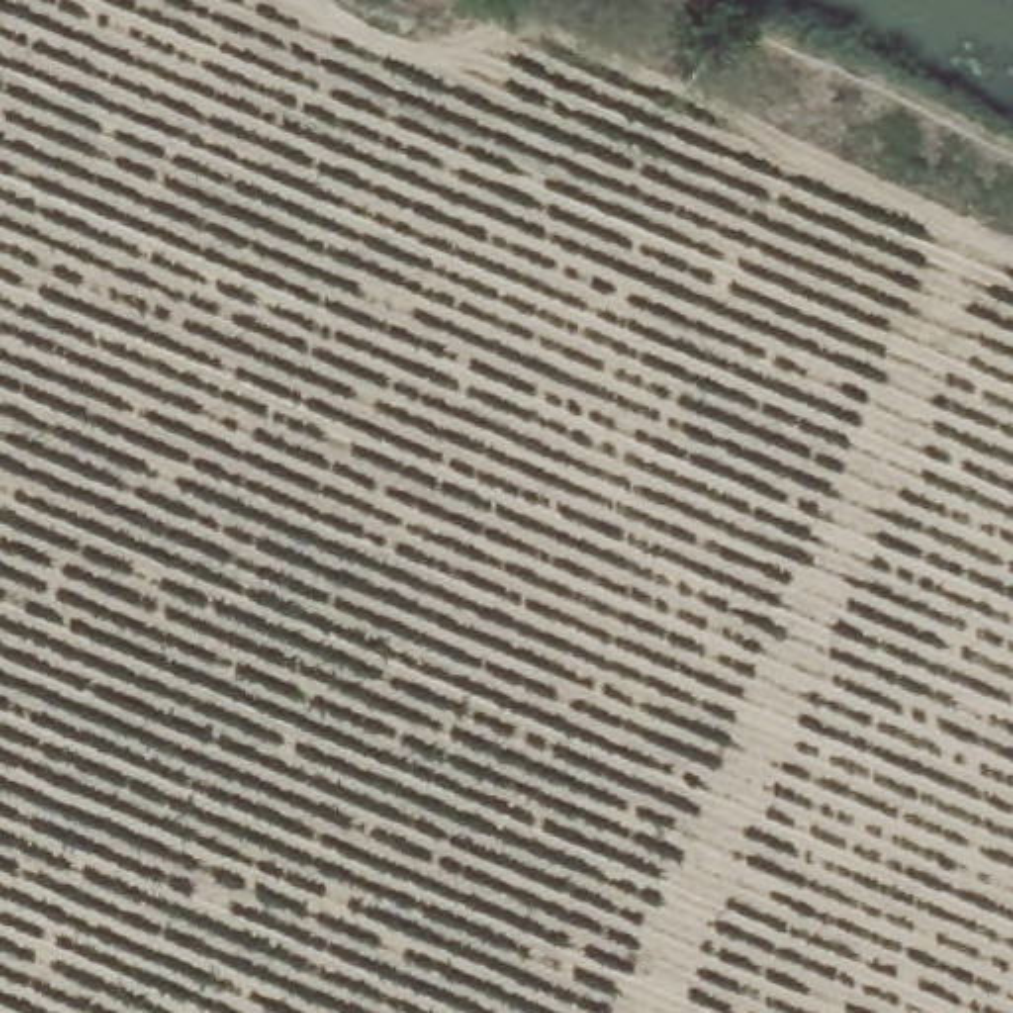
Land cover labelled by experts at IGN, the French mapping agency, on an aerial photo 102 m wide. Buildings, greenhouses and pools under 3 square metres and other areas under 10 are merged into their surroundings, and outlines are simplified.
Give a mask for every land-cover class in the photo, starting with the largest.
<instances>
[{"label":"vineyard","instance_id":"1","mask_svg":"<svg viewBox=\"0 0 1013 1013\"><path fill-rule=\"evenodd\" d=\"M0 1013H1013V237L993 233L977 218H962L835 154L803 138H791L760 119L720 99L716 91H704L689 75H673L641 63L637 51L613 40L601 44L598 36L590 28L578 36L562 24L530 20L526 12L510 32L503 24L467 20L451 36L396 40L344 12L336 0H0Z\"/></svg>","mask_w":1013,"mask_h":1013},{"label":"deciduous trees","instance_id":"2","mask_svg":"<svg viewBox=\"0 0 1013 1013\"><path fill-rule=\"evenodd\" d=\"M665 12L669 20H677L673 75H689L704 91H716L720 99L760 119L768 107L803 95V67H795L783 55H772L760 44L764 36H787L815 55H827L855 71H875L890 83H906L926 99H938L950 111H962L973 123L1013 138V103H977L985 95L981 83L946 63H930L926 71H918L906 51H898L902 32H882L875 44H867L851 28L859 20V8L835 0H534L526 12L530 20L562 24L578 36L590 28L598 36L609 32L613 16L657 20ZM835 154L962 218H977L993 233L1013 237V166L981 158L966 138L942 127H922L910 111H886L871 119L847 127L843 146Z\"/></svg>","mask_w":1013,"mask_h":1013},{"label":"herbaceous vegetation","instance_id":"3","mask_svg":"<svg viewBox=\"0 0 1013 1013\"><path fill-rule=\"evenodd\" d=\"M344 12L396 40L451 36L467 20L503 24L510 32L526 12L534 0H336ZM677 20H669L665 12L657 20L613 16L609 32L598 36L601 44L613 40L637 51L641 63L673 75ZM803 95L768 107L760 119L791 138H803L835 154L843 146L847 127L871 119L863 115L859 87H843L831 67H803Z\"/></svg>","mask_w":1013,"mask_h":1013},{"label":"water","instance_id":"4","mask_svg":"<svg viewBox=\"0 0 1013 1013\"><path fill-rule=\"evenodd\" d=\"M859 8V20L851 28L867 44H875L882 32H902L898 51H906L918 71H926L930 63H946L981 83L985 95L977 103H1013V0H835Z\"/></svg>","mask_w":1013,"mask_h":1013},{"label":"pervious surface","instance_id":"5","mask_svg":"<svg viewBox=\"0 0 1013 1013\"><path fill-rule=\"evenodd\" d=\"M760 44L772 55H783L795 67H831L843 87H859L863 115L871 119L886 111H910L922 127H942L966 138L981 158L1013 166V138L973 123L962 111H950L938 99H926L906 83H890L875 71H855L827 55H815L787 36H764Z\"/></svg>","mask_w":1013,"mask_h":1013}]
</instances>
